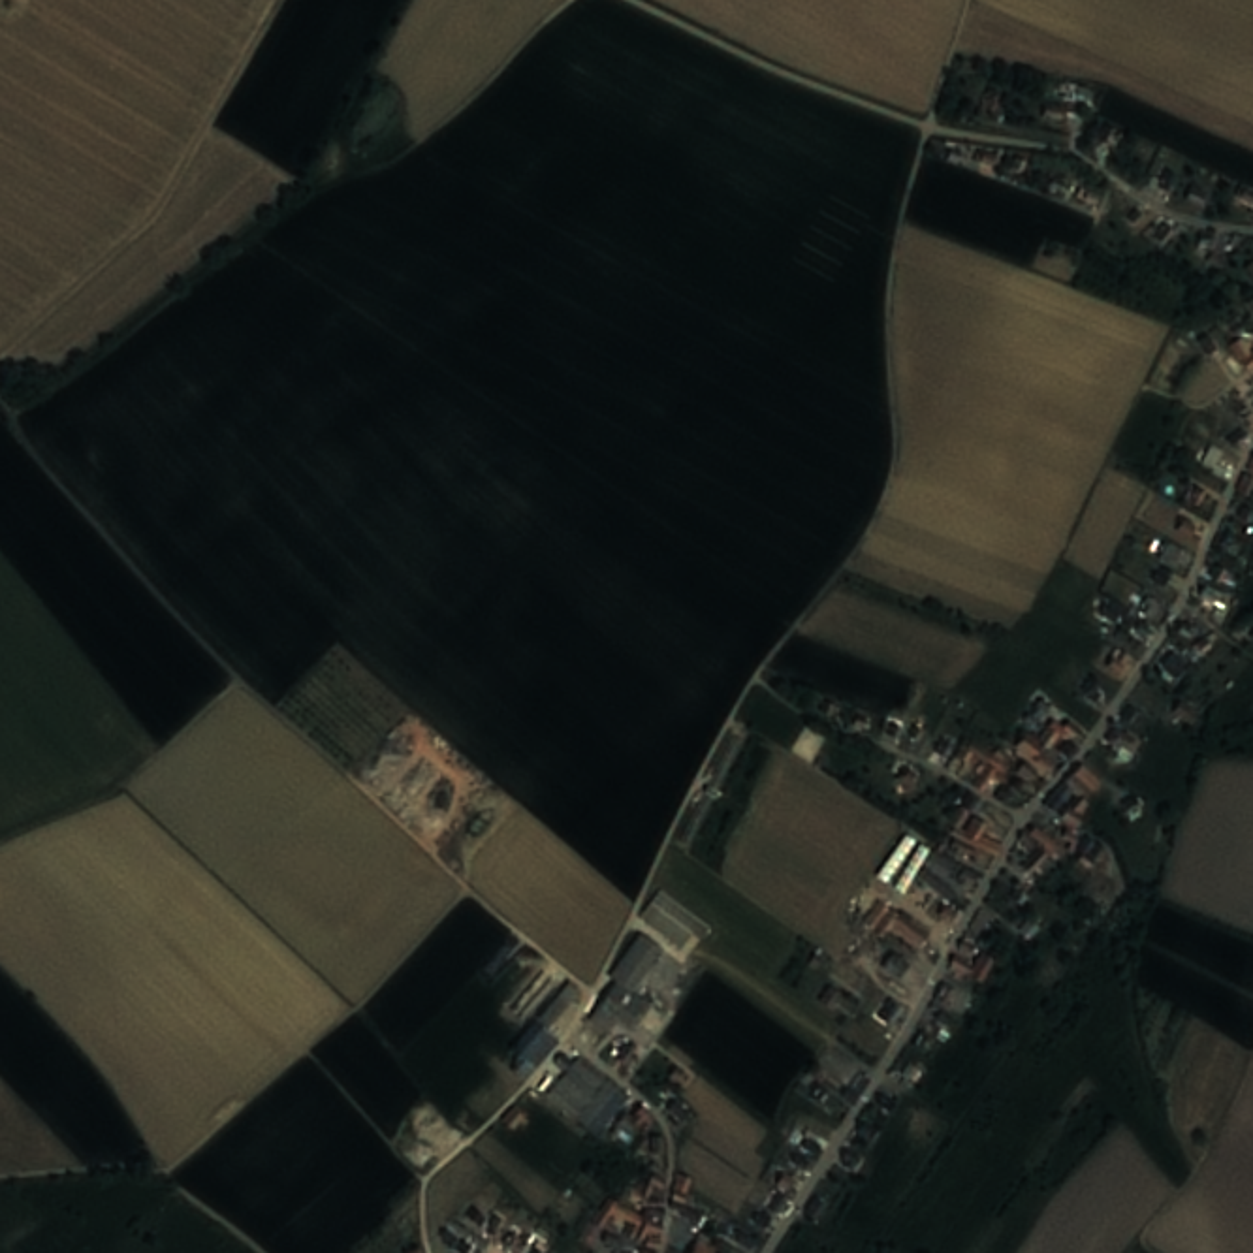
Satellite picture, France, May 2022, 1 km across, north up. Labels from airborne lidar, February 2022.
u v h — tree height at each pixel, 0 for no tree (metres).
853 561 0
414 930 0
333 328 0
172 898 0
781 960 0
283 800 0
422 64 0
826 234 0
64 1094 0
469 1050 0
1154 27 0
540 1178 0
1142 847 0
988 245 0
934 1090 0
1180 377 15
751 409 0
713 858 0
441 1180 0
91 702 0
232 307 0
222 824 0
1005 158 6
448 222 0
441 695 0
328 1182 0
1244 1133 0
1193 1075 0
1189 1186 0
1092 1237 0
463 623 0
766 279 0
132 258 0
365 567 0
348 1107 0
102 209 0
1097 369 0
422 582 0
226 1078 0
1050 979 0
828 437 0
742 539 0
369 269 0
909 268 0
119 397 0
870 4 0
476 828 0
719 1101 0
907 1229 0
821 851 0
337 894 0
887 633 0
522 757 0
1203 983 0
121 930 0
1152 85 0
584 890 0
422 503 0
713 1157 0
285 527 0
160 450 0
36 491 0
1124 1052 0
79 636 0
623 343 0
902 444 0
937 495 0
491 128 0
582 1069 0
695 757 0
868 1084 0
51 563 0
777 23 0
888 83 0
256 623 0
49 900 0
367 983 0
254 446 0
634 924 0
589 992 0
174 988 0
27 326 0
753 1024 0
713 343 0
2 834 0
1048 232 0
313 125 0
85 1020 0
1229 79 0
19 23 0
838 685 0
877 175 0
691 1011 0
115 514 0
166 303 0
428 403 0
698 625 0
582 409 0
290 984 0
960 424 0
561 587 0
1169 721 0
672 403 0
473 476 0
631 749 0
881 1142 0
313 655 0
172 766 0
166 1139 0
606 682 0
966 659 0
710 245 0
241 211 0
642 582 0
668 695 0
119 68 0
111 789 0
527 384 0
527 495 0
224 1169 0
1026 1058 0
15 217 0
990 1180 0
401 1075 0
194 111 0
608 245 0
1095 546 0
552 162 0
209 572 0
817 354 0
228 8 0
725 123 0
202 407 0
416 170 0
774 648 0
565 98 0
